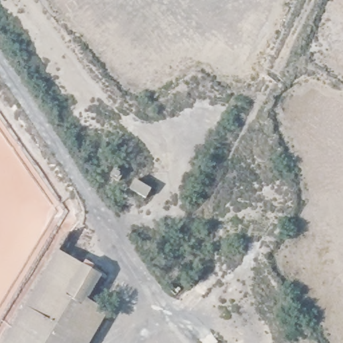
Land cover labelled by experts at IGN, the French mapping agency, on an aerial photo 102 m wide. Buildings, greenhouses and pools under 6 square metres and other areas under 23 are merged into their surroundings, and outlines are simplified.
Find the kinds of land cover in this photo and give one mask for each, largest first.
<instances>
[{"label":"pervious surface","instance_id":"1","mask_svg":"<svg viewBox=\"0 0 343 343\"><path fill-rule=\"evenodd\" d=\"M300 0H0V4L21 21L24 29H27L36 54L40 58L50 60L47 72L51 76H58L55 83L66 87L68 95L75 96L76 105L72 106L71 110L79 119L80 125L100 129L99 123L96 122V114L88 113L86 109L90 106L91 98L105 100L107 95L102 91V84L92 80L87 70L78 62L83 52L78 44L74 43V39L64 31L63 24H67L76 35H83L84 42L106 63L110 75L118 79L122 87L133 94L145 90L154 91L171 82L173 87L166 96L159 98L163 105L167 99L173 98L176 92L188 91L185 86L186 80L192 76H197L200 80V91L205 92V100H197L193 107L182 110L177 117L150 123L141 121L131 114L121 118L122 125L141 139L150 150L154 161L153 177L163 182V188L151 198L149 204L143 205L142 208H130L121 216L131 228L133 225H145L154 228V220H161L165 216H185L184 210L176 205L165 210L163 205L173 194L180 193L182 176L186 171H190L189 162L190 158L194 157V149L197 145H204L206 134L210 129H216L222 113L226 111L224 106L210 105V100L213 96L225 98L232 92L247 95L253 99V107L247 121L252 122L256 118L261 103L275 86V80L269 78L267 71L271 55L275 54L280 40L283 39L284 27L281 24L289 20L295 11L296 3ZM320 0H307L300 16L296 17L288 39L285 40L279 59L275 62L273 72L276 75L280 74L287 63L289 52L303 28L308 13ZM310 50L314 52L316 63L330 67L343 80V0H330L320 21L318 40L312 42ZM308 70L315 71L316 75H303L297 78L295 86L292 87V99H284L277 106V119L284 141L289 151L301 158L300 188L305 206L300 217L304 218L308 225L307 230L299 237L285 240L275 255L277 268L292 281L299 280L300 283L307 285L310 297L316 299V304L324 312L322 323L324 336L330 343H343V87L335 90L331 87L334 79L328 78L326 72L316 70L312 64H308ZM0 96L8 106H16L15 119H23L27 123L25 131L32 142L39 143L40 153L47 159V163L59 166V170L56 171L62 173L59 181L72 186L71 200L82 202L84 210L82 226L68 233L60 247L62 249L56 253L46 275L40 279L35 291L29 296L4 343H90L99 324L105 319L103 311H99L98 303L92 300L103 289L110 288L117 279L119 265L117 261L103 256L92 224L87 225L86 198L68 176L66 166L59 161L55 151L33 125L31 118L13 95L11 88L3 82L0 74ZM0 143L5 150H13L21 165L27 170L28 176L54 208L47 228L40 234L20 271L0 300V331L15 305L23 299L29 285L43 267L44 257L50 256L52 245L62 229L59 224L63 210L70 206L56 189L42 163L25 146L15 127L8 121L7 115L0 109ZM275 238L271 236H263L253 243L244 256L243 264L238 265L233 271L226 265L216 264L208 279L182 293L178 299H174L173 305L176 310H200L202 315L212 318L213 330H210V334L216 338L217 343H273L268 324L260 320L256 308L251 305L255 303L252 292V268L255 267L253 259L257 253L272 251Z\"/></svg>","mask_w":343,"mask_h":343},{"label":"brushwood","instance_id":"2","mask_svg":"<svg viewBox=\"0 0 343 343\"><path fill-rule=\"evenodd\" d=\"M307 0H300L296 3L295 11L289 20L281 24L284 27L283 39L280 40L275 54L271 55L267 71L269 78L275 80V86L261 103L256 118L252 122L247 121L253 107V99L247 95L232 92L225 98L213 96L210 100V105L224 106L226 111L222 113L216 129H210L206 134L204 145H197L194 149V157L190 158L189 162L190 171H186L182 176L180 193L173 194L163 205L165 210L176 205L184 210L185 216H165L161 220H154V228L145 225H133L131 228L129 240L134 244L135 252L163 291L174 299H178L182 293L208 279L216 264L226 265L233 271L238 265L243 264L244 256L253 243L263 236H271L275 238L272 251L257 253L253 259L255 267L252 268V292L255 303L251 305L256 308L260 320L268 324L273 343H330L324 336L322 323H315V319L297 312L300 304L292 301V281L277 268L275 255L285 240L299 237L307 230L308 225L304 218L300 217L305 206L300 188L301 158L289 151L284 141L277 119V106L284 99H292V87L295 86L297 78L303 75H316L315 71L308 70V64H312L316 70L326 72L328 78L334 79L331 87L335 90L343 87V80L330 67L316 63L314 52L310 50L312 42L318 40L320 21L330 0H320L308 13L303 28L289 52L287 63L280 74L276 75L273 72L275 62L279 59L285 40L288 39L296 17L300 16ZM64 31L74 39V43L78 44L83 52L78 62L87 70L92 80L102 84V91L107 95L105 100L91 98L90 106L86 109L88 113L96 114V122L99 123L100 129L80 125L79 119L71 110L72 106L76 105L75 96L68 95L66 87L55 83L58 76H51L47 72L50 60L40 58L36 54L27 29H24L21 21L0 4V51L15 68L21 82L28 87L39 109L46 115L48 123L54 127L56 135L74 159L84 180L91 188L96 189V194L105 202L106 208L114 210L115 217L121 216L130 208H142L143 205L149 204L151 198L163 188V182L153 177L154 161L150 150L141 139L122 125L121 118L131 114L141 121L150 123L177 117L182 110L193 107L197 100H205V92L200 91V80L197 76H192L186 80L185 86L188 91L176 92L173 98L167 99L163 105L159 98L166 96L173 87L171 82L154 91L145 90L133 94L122 87L118 79L110 75L106 63L84 42L83 35H76L67 24H63ZM113 169H119L121 173L118 182L110 178ZM134 178L150 186V192L146 197H141L130 189Z\"/></svg>","mask_w":343,"mask_h":343},{"label":"impervious surface","instance_id":"3","mask_svg":"<svg viewBox=\"0 0 343 343\"><path fill-rule=\"evenodd\" d=\"M0 74L3 82L11 88L13 95L31 118L33 125L55 151L59 161L66 166L68 176L86 198L87 225L92 224L103 256L117 261L119 265L117 279L110 288L111 291H117L118 305L114 311H103L105 319L99 324L90 343H217L216 338L210 334V330H213L212 318L202 315L200 310H176L173 305L174 299L163 291L135 252L134 244L129 240L131 228L121 216L115 217L114 210L106 208L105 202L96 194V189L91 188L84 180L74 159L56 135L54 127L48 123L46 115L39 109L28 87L21 82L15 68L0 51Z\"/></svg>","mask_w":343,"mask_h":343},{"label":"water","instance_id":"4","mask_svg":"<svg viewBox=\"0 0 343 343\"><path fill-rule=\"evenodd\" d=\"M0 109L7 115L8 121L15 127L25 146L42 163L56 189L70 206L63 210L59 224L62 229L52 245L50 256L44 257L43 267L29 285L23 299L15 305L0 331V343H4L29 296L35 291L40 279L46 275L56 253L62 249L60 247L68 233L82 226L84 210L82 202L71 200L72 186L59 181L62 173L56 171L59 170V166L47 163V159L40 153L39 143L32 142L25 131L27 123L23 119H15L16 106H8L0 96ZM54 208L28 176L27 170L21 165L13 150H5L0 143V300L20 271L40 234L47 228Z\"/></svg>","mask_w":343,"mask_h":343},{"label":"herbaceous vegetation","instance_id":"5","mask_svg":"<svg viewBox=\"0 0 343 343\"><path fill-rule=\"evenodd\" d=\"M292 301L300 304L297 312L315 319V323H322L324 312L316 304V299L310 297L307 285L300 283L299 280L292 281Z\"/></svg>","mask_w":343,"mask_h":343},{"label":"deciduous trees","instance_id":"6","mask_svg":"<svg viewBox=\"0 0 343 343\"><path fill-rule=\"evenodd\" d=\"M98 303L99 311H114L118 305L117 291H111L110 288L103 289L92 300Z\"/></svg>","mask_w":343,"mask_h":343},{"label":"building","instance_id":"7","mask_svg":"<svg viewBox=\"0 0 343 343\"><path fill-rule=\"evenodd\" d=\"M110 178L118 182L121 173L119 169H113ZM130 189L141 197H146L150 192V186L134 178Z\"/></svg>","mask_w":343,"mask_h":343}]
</instances>
